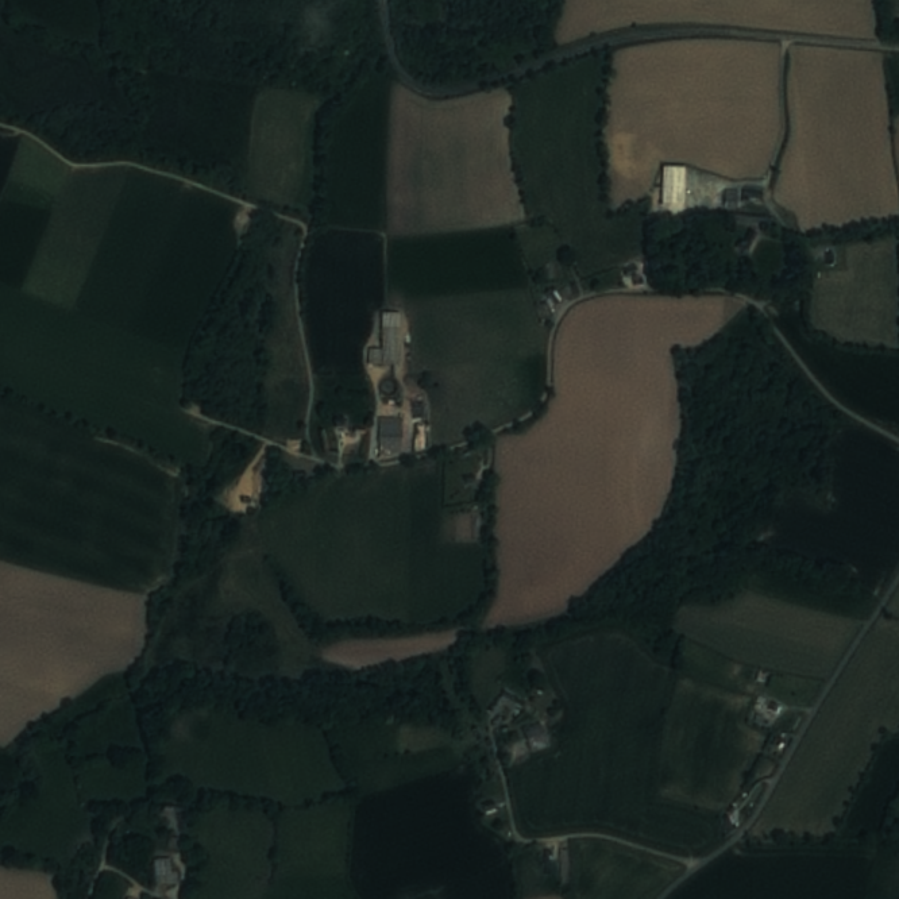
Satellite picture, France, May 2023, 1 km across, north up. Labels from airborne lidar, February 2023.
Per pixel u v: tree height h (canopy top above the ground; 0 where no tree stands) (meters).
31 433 0
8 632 0
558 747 0
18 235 0
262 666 0
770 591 0
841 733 0
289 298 0
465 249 0
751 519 17
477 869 0
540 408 12
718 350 11
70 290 0
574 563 0
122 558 0
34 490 0
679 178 0
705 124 0
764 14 0
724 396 10
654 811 0
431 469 0
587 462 0
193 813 17
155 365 0
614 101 0
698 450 12
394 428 0
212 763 0
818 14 0
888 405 0
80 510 0
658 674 0
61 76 0
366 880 0
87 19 0
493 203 0
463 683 11
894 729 0
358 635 15
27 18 0
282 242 10
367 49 13
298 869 0
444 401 0
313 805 12
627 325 0
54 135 8
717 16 0
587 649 0
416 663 14
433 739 0
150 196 0
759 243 0
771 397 11
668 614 7
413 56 12
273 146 0
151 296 0
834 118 0
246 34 15
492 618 0
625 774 0
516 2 12
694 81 0
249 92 0
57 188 0
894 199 0
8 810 7
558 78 0
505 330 0
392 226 0
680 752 0
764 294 19
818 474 28
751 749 0
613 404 0
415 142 0
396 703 19
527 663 7
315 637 18
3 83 0
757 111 0
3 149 0
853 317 0
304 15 10
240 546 0
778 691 0
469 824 0
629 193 0
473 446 20
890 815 10
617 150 0
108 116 17
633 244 0
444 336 0
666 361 0
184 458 0
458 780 0
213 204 0
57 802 0
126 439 7
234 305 9
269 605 0
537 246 0
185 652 0
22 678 0
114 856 8
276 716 18
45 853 0
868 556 0
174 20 12
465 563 0
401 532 0
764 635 0
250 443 10
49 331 0
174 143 0
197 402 9
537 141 0
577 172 0
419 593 0
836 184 0
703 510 24
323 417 9
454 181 0
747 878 0
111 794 0
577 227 0
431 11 0
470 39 17
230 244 0
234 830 0
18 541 0
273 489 16
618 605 21
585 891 0
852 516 0
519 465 0
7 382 0
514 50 0
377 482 0
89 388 0
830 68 0
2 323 0
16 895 0
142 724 18
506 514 0
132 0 9
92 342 0
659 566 18
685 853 0
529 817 0
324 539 0
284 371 0
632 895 0
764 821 0
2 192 0
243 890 0
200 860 15
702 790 0
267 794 0
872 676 0
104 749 0
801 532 0
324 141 18
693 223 20
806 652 0
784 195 0
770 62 0
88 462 0
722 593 9
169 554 0
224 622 0
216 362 13
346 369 0
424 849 0
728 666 0
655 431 0
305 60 8
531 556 0
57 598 0
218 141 0
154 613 11
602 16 0
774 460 18
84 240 0
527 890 0
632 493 0
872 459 0
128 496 0
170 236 0
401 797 0
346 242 0
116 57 16
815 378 0
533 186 0
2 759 0
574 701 0
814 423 9
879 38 11
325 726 16
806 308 8
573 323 0
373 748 0
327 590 0
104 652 0
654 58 0
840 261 0
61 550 0
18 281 0
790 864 0
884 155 0
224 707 19
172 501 0
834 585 19
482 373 0
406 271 0
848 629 0
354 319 0
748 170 0
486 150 0
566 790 0
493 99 0
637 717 0
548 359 0
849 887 0
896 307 0
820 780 0
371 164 0
